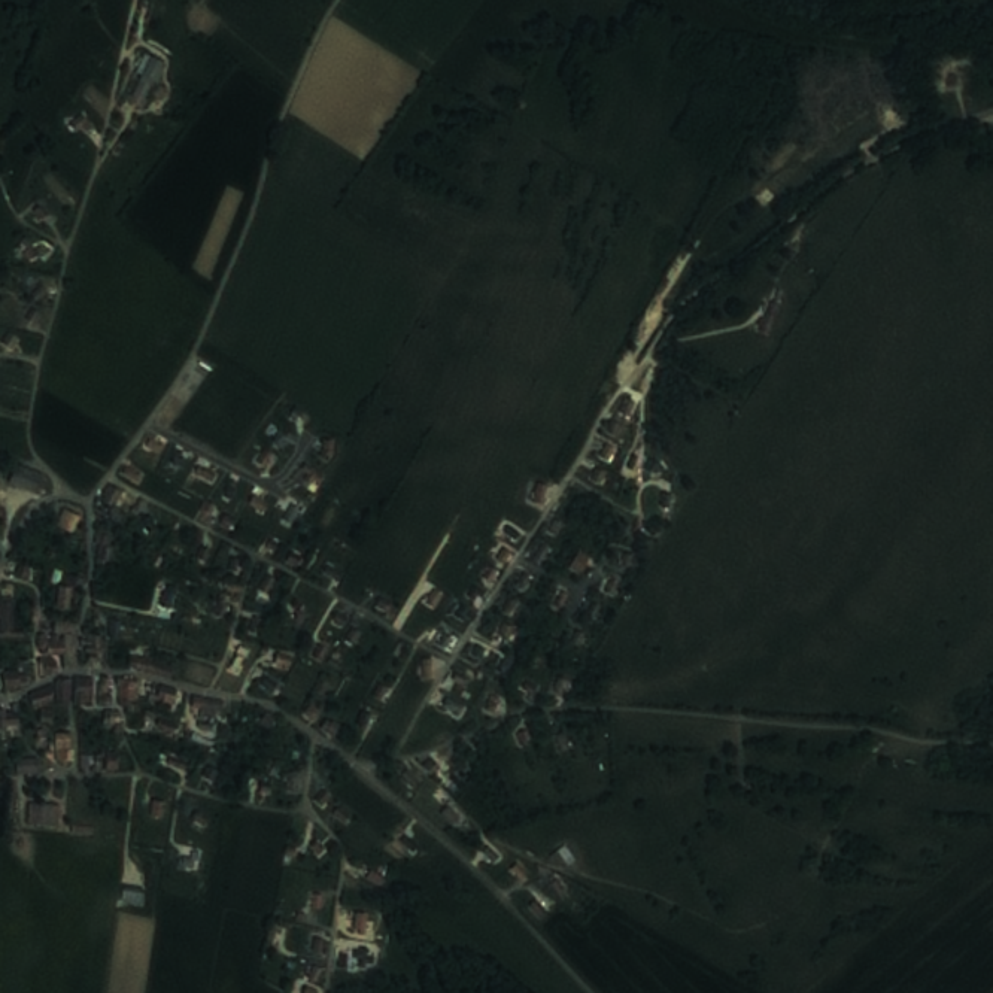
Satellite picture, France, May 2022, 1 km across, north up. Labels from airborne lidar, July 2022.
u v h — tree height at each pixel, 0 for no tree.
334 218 0
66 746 0
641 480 0
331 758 17
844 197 0
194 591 14
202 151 0
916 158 8
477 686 0
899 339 0
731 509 0
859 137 0
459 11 0
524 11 0
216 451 0
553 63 0
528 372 0
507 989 20
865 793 0
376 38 0
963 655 0
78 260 0
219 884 0
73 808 0
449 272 0
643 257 0
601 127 0
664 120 0
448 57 0
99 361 0
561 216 0
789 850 0
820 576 0
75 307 0
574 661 9
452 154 12
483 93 0
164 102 0
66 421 0
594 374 0
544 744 12
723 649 0
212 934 0
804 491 0
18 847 0
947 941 0
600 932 0
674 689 0
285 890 0
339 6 0
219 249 0
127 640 0
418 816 0
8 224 0
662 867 0
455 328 0
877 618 0
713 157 10
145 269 0
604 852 0
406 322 0
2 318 0
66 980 0
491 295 0
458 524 0
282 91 0
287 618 11
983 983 0
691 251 11
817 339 0
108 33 0
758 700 0
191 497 0
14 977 0
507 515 0
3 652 7
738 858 0
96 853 0
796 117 12
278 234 0
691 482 14
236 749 13
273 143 15
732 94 12
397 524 0
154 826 0
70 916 0
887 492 0
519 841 0
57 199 0
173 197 0
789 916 0
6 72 0
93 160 0
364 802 0
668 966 0
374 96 0
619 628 0
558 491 0
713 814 7
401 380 0
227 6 0
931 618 0
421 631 0
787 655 0
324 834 0
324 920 0
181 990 0
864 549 0
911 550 0
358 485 0
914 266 0
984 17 15
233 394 0
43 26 11
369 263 0
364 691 0
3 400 0
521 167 0
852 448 0
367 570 0
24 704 10
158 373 0
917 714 0
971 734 10
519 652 15
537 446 0
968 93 0
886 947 0
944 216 0
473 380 0
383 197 0
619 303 0
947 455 0
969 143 11
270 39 0
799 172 0
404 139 0
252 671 0
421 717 0
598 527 17
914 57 18
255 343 0
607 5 0
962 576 0
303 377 0
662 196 0
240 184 0
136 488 0
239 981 0
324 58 0
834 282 0
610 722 8
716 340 0
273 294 0
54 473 0
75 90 0
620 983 0
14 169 0
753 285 0
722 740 0
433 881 0
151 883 0
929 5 7
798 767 0
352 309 0
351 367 0
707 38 7
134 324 0
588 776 0
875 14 12
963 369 0
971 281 0
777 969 0
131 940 0
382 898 21
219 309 0
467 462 0
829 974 0
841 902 0
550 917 0
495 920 0
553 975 0
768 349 0
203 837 0
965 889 0
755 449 0
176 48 0
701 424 0
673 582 0
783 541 0
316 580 11
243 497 0
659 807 0
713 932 0
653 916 0
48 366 0
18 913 0
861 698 0
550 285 0
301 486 0
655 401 13
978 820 12
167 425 0
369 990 15
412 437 0
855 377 0
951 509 0
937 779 9
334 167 0
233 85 0
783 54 9
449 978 21
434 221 0
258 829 0
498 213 0
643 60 0
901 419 0
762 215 0
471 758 16
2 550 0
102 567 11
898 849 0
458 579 0
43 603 6
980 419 0
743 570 0
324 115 0
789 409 0
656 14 14
